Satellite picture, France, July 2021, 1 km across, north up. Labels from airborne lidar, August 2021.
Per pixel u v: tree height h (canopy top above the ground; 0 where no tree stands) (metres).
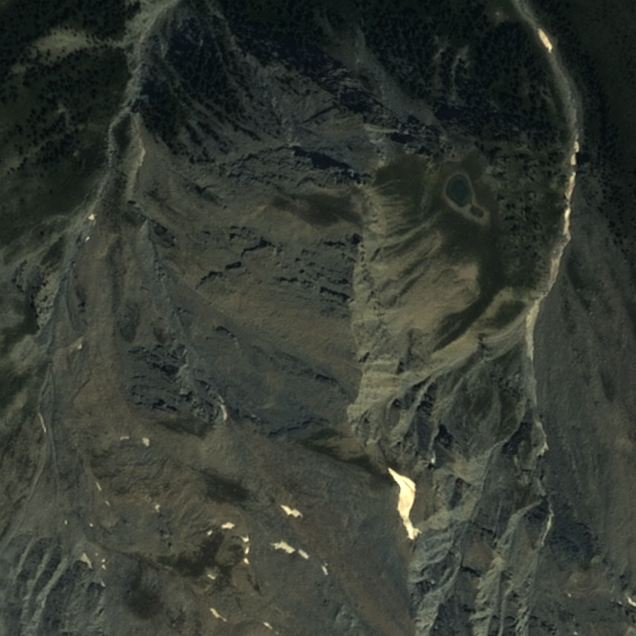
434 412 0
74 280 0
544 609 0
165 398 0
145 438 0
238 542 0
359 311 0
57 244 0
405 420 0
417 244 0
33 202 0
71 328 0
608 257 0
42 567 0
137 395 0
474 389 0
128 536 0
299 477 0
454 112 0
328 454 0
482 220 0
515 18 0
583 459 0
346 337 0
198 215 0
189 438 0
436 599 0
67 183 0
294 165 0
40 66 8
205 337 0
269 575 0
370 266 0
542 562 0
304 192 0
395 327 0
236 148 0
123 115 0
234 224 0
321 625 0
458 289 0
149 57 0
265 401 0
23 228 0
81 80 6
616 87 0
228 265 0
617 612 0
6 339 0
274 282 0
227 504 0
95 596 0
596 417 0
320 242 0
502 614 0
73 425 0
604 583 0
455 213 0
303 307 0
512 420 0
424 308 0
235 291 0
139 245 0
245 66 0
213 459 0
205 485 0
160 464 0
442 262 0
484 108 10
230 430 0
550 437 0
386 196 0
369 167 0
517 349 0
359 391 0
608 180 7
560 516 0
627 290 0
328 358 0
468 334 0
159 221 0
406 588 0
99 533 0
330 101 0
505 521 0
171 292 0
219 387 0
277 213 0
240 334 0
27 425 0
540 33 0
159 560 0
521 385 0
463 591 0
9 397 0
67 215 0
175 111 7
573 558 0
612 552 0
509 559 0
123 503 0
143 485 0
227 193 0
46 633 0
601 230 0
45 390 0
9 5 0
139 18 0
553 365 0
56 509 0
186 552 0
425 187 0
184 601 0
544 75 8
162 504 0
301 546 0
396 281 0
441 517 0
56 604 0
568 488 0
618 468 0
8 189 0
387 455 0
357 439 0
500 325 0
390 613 0
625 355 0
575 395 0
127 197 0
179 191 0
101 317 0
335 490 0
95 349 0
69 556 0
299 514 0
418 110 0
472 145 0
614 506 0
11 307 0
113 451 0
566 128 0
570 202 0
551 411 0
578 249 0
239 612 0
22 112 0
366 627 0
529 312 0
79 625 0
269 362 0
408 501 0
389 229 0
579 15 0
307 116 0
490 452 0
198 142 10
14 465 0
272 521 0
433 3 27
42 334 0
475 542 0
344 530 0
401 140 0
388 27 19
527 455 0
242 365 0
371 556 0
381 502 0
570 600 0
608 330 0
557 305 0
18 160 0
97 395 0
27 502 0
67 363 0
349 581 0
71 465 0
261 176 0
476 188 0
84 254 0
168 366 0
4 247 0
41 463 0
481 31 24
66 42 0
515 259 0
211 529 0
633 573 0
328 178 0
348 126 0
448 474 0
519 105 14
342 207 0
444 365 0
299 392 0
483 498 0
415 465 0
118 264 0
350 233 0
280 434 0
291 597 0
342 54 0
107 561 0
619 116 0
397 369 0
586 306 0
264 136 0
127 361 0
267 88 0
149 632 0
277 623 0
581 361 0
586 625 0
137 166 0
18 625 0
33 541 0
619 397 0
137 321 0
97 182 0
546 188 0
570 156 0
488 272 0
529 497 0
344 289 0
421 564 0
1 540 0
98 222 0
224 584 0
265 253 0
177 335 0
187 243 0
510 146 0
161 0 0
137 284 0
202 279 0
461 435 0
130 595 0
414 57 8
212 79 14
